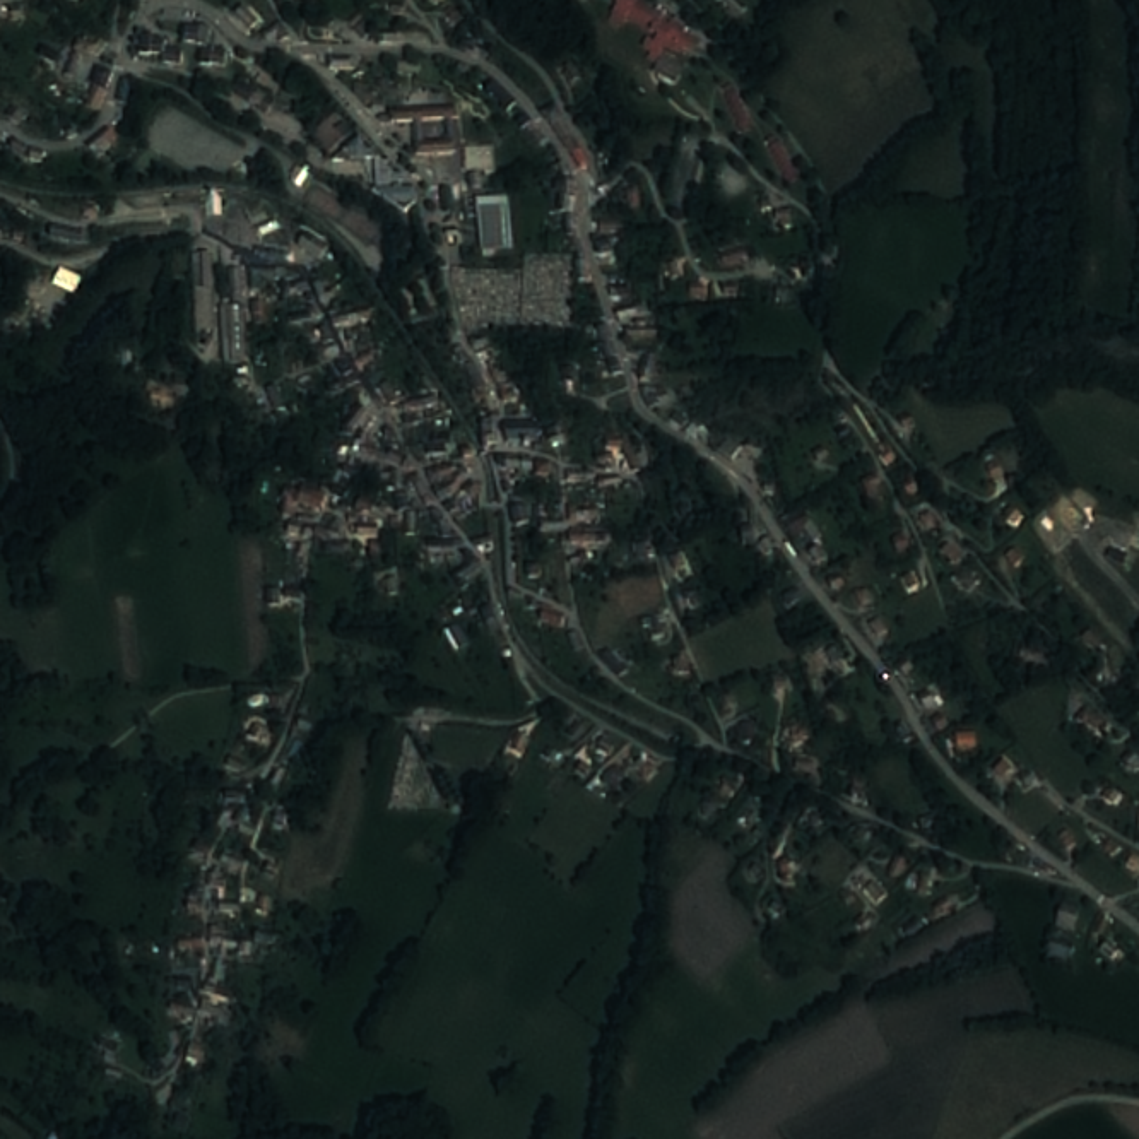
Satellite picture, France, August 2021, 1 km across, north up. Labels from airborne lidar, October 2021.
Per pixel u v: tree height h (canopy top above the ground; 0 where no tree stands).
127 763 7
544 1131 17
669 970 11
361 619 12
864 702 6
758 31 10
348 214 0
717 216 20
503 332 10
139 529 0
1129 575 0
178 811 10
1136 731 10
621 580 7
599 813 0
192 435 11
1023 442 7
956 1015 0
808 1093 0
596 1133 16
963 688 8
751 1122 0
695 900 0
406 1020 0
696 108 0
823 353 0
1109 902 0
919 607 0
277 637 6
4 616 0
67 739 0
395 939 0
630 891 0
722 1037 0
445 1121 22
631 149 14
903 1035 0
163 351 6
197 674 14
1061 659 19
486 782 21
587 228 0
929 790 7
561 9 23
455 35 10
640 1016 15
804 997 0
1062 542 0
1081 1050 0
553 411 8
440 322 8
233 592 0
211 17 0
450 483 0
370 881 0
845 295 11
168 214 0
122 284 0
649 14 0
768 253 0
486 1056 0
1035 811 0
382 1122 27
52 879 0
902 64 0
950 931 0
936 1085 0
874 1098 0
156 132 0
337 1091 0
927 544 0
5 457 16
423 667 0
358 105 0
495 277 0
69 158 0
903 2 0
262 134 17
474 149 0
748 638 0
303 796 13
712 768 13
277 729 16
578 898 0
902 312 0
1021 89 14
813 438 0
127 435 17
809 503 8
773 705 0
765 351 0
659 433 14
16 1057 0
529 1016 0
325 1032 0
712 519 20
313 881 0
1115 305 0
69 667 0
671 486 13
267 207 0
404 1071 0
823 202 18
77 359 19
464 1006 0
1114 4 0
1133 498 9
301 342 7
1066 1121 0
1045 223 20
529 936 0
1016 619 17
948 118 20
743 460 0
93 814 9
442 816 0
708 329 20
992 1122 0
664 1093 0
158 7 0
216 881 0
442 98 0
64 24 6
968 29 19
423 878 0
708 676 0
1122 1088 11
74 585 0
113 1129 19
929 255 0
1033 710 0
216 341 0
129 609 0
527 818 0
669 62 0
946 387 15
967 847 0
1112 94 0
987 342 15
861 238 0
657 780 0
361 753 0
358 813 0
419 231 15
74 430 13
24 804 17
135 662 0
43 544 14
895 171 17
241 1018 8
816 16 0
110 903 0
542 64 8
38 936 6
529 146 0
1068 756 0
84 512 13
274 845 6
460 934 0
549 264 0
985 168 19
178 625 0
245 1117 9
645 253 7
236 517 7
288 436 7
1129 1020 0
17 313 9
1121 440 0
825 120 0
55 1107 6
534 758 0
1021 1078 0
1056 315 22
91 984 15
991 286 13
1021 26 20
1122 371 12
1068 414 0
